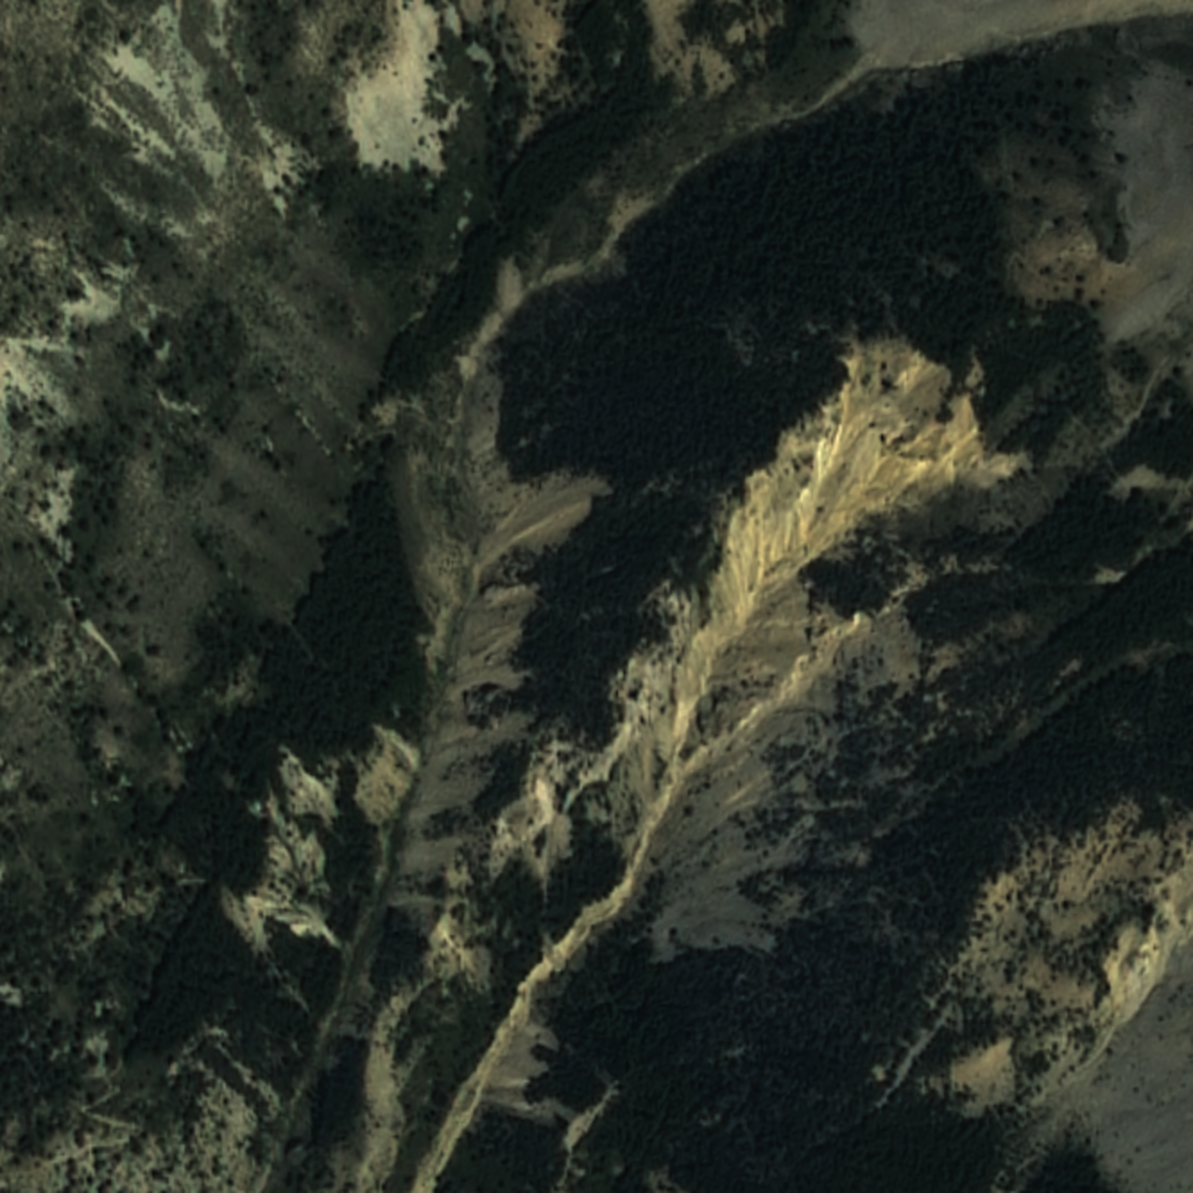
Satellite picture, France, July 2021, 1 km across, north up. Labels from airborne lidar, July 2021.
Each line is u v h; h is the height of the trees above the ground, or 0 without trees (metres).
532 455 11
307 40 0
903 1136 11
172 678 0
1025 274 0
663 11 0
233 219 0
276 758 7
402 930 6
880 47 0
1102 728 10
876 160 8
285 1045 14
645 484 9
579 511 0
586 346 9
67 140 0
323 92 0
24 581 0
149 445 8
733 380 12
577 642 10
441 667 7
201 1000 19
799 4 9
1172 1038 0
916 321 11
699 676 0
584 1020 10
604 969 10
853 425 0
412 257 9
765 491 0
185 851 11
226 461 0
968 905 10
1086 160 9
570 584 9
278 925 6
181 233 0
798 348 8
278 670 11
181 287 0
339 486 0
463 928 0
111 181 0
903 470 0
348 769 8
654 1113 24
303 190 6
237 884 17
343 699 11
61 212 6
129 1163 0
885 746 6
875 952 12
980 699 8
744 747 0
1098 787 9
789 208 10
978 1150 10
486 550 0
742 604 0
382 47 0
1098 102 0
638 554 10
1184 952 0
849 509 0
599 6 10
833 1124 10
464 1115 0
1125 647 7
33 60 0
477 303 16
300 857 0
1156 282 0
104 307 0
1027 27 0
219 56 0
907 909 12
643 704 0
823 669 0
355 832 12
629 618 8
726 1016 10
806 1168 17
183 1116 8
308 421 0
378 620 11
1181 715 8
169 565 0
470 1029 7
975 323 12
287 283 0
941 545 6
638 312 11
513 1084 0
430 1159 0
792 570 0
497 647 0
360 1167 0
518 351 9
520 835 0
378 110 0
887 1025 10
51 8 0
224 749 19
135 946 6
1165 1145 0
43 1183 0
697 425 12
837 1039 13
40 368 0
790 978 7
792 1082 11
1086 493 12
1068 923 0
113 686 0
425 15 0
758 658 0
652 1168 9
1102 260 0
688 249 8
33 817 0
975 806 6
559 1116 0
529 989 0
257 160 0
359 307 0
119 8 0
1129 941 0
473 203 0
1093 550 12
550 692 8
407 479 0
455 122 0
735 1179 12
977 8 0
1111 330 0
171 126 0
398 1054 7
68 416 0
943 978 8
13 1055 11
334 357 0
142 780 0
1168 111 0
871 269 11
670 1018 11
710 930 0
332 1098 16
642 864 0
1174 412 11
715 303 10
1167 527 7
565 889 7
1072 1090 0
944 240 7
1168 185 0
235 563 0
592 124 14
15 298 8
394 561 13
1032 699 8
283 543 0
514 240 9
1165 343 0
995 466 0
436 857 0
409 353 13
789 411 9
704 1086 10
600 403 12
